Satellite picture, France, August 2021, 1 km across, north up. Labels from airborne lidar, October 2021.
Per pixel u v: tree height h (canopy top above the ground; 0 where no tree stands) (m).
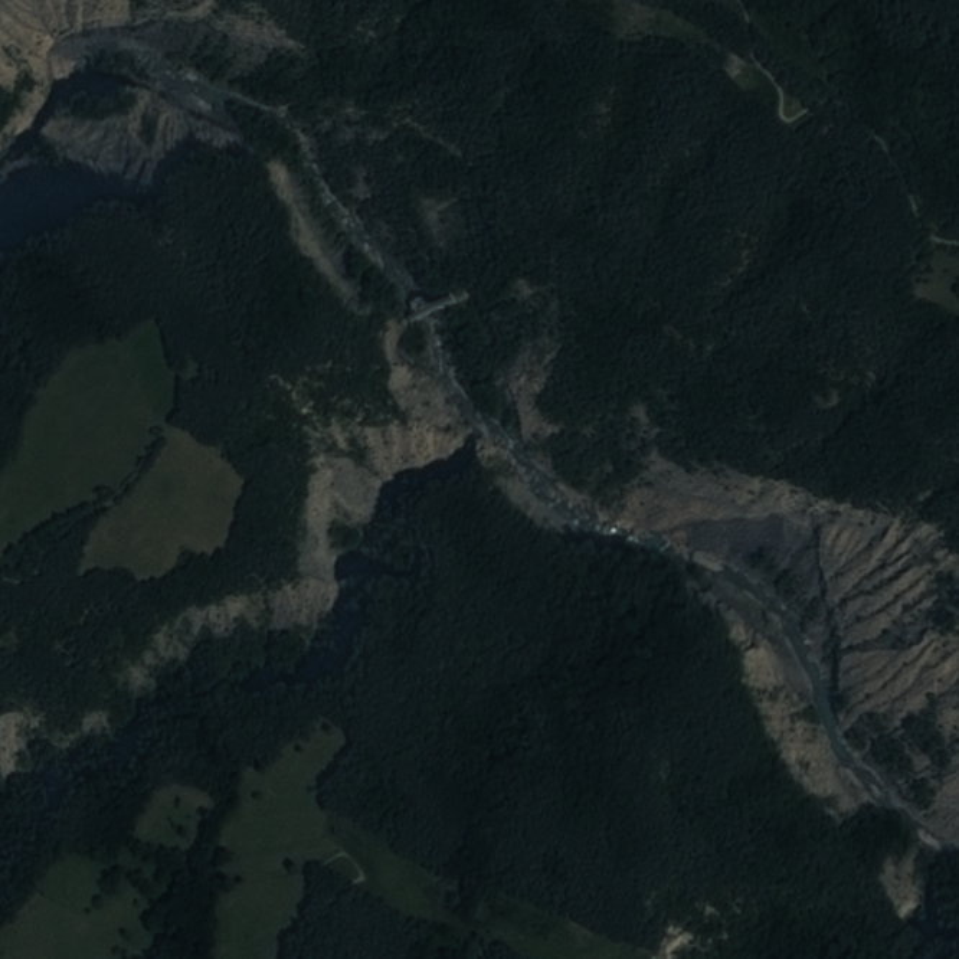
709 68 11
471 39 14
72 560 15
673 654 21
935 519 8
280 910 0
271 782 0
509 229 13
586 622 27
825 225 16
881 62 26
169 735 20
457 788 23
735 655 9
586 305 6
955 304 0
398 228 13
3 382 28
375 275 14
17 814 15
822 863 19
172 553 0
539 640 21
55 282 22
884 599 0
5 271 10
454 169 8
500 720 23
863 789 0
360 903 12
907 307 12
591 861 21
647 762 12
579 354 11
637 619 28
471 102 12
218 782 14
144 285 11
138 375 0
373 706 13
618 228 11
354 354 10
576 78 11
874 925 15
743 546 0
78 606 8
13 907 14
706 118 15
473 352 13
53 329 19
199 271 14
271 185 12
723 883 13
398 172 10
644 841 13
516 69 14
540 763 18
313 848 0
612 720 17
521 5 13
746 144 12
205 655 15
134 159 0
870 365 13
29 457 0
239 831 0
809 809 25
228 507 0
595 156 9
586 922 18
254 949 0
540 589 22
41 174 0
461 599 12
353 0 12
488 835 23
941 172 24
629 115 10
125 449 0
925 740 11
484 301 10
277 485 12
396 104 7
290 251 15
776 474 8
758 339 10
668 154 8
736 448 12
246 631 11
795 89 11
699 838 12
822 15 15
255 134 11
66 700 11
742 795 24
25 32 0
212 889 21
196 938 25
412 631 19
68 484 0
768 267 9
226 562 19
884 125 18
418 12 17
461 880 11
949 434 10
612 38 15
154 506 0
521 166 12
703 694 15
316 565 0
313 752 0
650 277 13
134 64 7
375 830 15
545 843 21
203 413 12
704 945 7
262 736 23
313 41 13
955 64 19
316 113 6
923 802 6
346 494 0
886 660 0
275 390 8
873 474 18
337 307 10
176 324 13
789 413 11
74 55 0
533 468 0
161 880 13
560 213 16
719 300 15
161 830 0
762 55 8
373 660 10
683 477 0
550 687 26
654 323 8
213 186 15
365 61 8
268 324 16
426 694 17
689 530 0
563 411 11
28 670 15
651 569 19
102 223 13
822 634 0
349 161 10
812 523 0
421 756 18
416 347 9
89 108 6
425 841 16
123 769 9
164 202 9
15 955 0
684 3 15
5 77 0
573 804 24
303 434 11
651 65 16
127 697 16
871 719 8
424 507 14
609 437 6
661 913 11
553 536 14
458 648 14
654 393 12
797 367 8
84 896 0
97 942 0
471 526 21
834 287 9
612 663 29
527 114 8
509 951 15
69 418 0
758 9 11
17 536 0
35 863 18
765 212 13
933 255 6
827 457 15
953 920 11
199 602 12
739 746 14
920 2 20
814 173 16
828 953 22
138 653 6
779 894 11
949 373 13
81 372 0
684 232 11
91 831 23
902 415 13
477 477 10
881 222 15
